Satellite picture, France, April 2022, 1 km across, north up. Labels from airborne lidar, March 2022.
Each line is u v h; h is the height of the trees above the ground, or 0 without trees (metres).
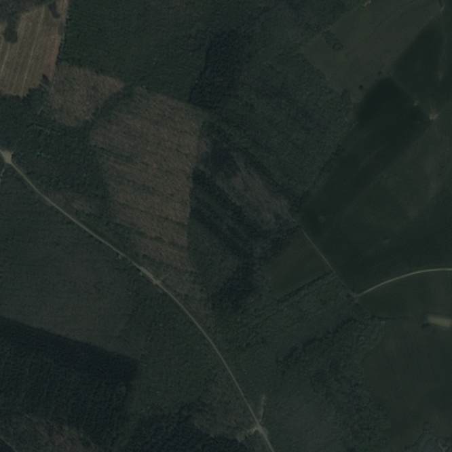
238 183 0
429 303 0
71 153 17
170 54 16
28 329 17
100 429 24
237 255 22
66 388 20
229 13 20
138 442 24
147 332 17
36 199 16
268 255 20
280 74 16
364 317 27
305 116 20
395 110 0
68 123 0
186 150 0
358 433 20
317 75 10
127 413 15
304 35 11
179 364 16
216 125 15
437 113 0
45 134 19
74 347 19
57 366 21
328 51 0
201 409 17
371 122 0
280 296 0
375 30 0
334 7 18
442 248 0
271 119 21
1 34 0
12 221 14
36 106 15
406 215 0
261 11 10
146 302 16
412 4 0
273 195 19
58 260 16
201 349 15
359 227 0
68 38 13
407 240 0
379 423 14
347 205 0
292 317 15
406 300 0
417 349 0
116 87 0
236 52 31
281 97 16
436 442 10
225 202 19
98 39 14
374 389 0
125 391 21
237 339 12
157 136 0
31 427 12
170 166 0
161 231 0
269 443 0
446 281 0
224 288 18
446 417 0
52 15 0
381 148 0
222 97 30
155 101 0
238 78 29
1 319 20
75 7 13
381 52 0
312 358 30
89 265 16
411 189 0
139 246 0
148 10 14
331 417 16
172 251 0
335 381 20
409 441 0
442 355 0
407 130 0
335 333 17
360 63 0
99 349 19
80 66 15
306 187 18
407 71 0
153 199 0
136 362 16
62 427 20
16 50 0
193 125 0
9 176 15
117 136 0
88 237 16
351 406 22
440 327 0
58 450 19
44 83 13
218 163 20
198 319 14
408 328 0
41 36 0
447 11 0
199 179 22
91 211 0
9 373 21
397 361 0
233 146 18
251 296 21
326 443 0
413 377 0
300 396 13
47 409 16
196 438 24
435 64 0
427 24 0
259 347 13
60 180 15
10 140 17
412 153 0
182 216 0
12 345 17
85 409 22
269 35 14
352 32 0
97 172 12
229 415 16
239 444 20
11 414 20
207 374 14
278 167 12
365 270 0
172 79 15
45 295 17
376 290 0
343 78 0
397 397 0
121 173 0
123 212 0
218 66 28
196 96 28
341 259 0
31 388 21
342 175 0
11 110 15
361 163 0
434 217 0
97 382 20
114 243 0
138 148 0
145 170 0
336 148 13
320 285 15
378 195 0
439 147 0
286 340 13
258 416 0
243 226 22
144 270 0
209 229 18
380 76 11
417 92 0
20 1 15
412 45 0
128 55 0
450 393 0
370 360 0
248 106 19
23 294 18
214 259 21
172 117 0
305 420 0
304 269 0
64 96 0
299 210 16
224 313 18
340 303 14
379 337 21
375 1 0
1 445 18
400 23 0
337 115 16
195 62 17
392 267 0
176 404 16
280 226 18
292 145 21
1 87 0
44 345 17
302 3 19
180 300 18
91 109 0
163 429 20
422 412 0
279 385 14
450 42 0
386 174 0
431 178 0
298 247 0
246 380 14
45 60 0
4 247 16
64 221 14
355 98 0
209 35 18
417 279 0
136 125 0
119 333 18
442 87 0
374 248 0
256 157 15
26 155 12
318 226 0
